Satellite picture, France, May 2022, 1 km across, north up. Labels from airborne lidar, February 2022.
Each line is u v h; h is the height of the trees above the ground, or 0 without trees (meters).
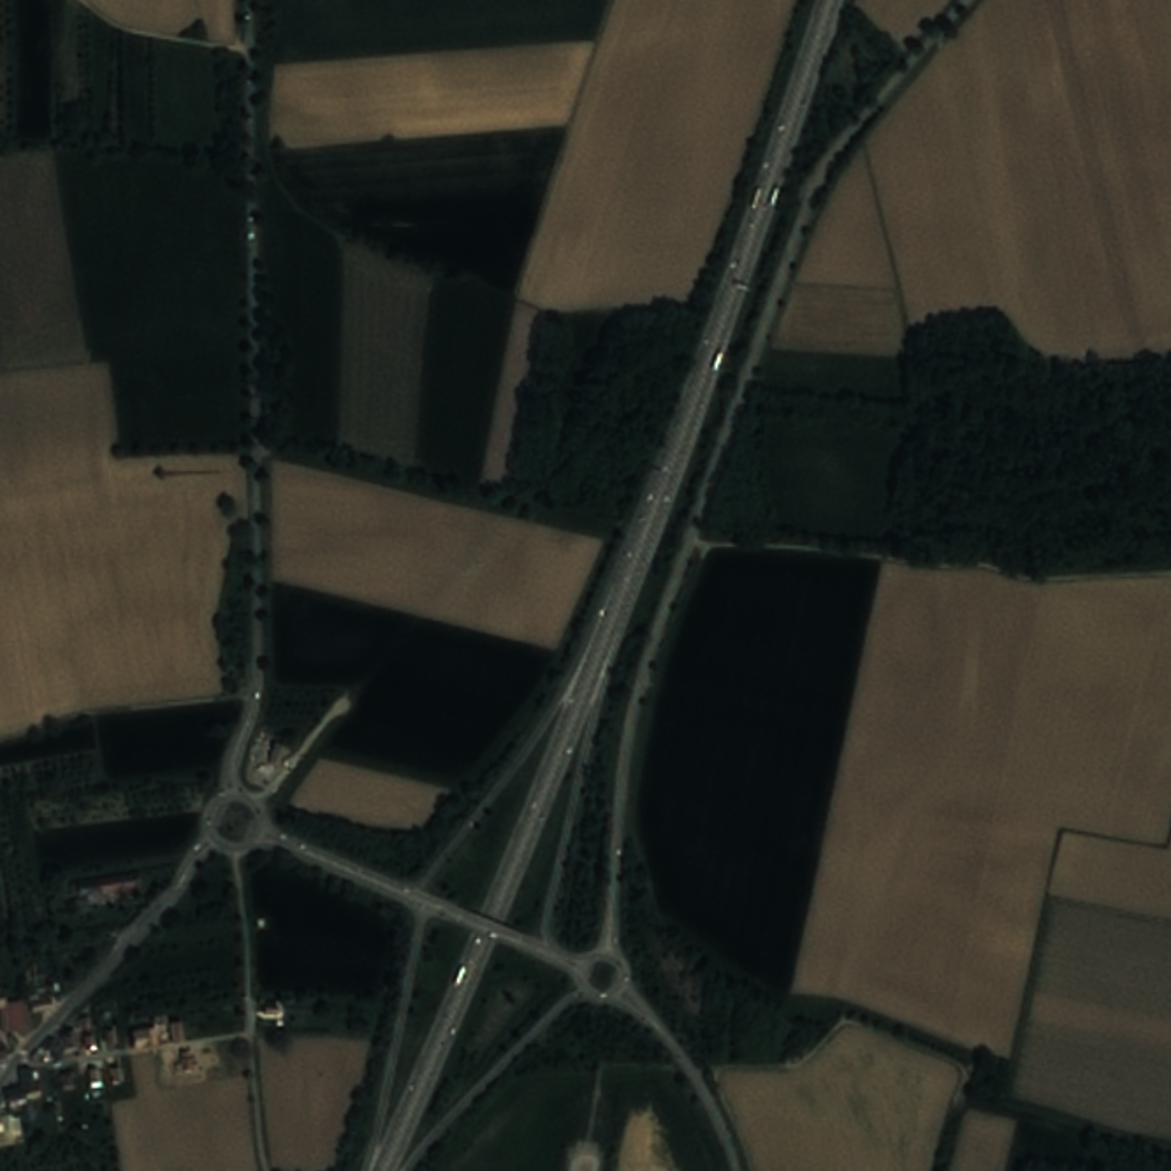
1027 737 0
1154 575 0
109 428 0
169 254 0
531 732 0
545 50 0
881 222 0
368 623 0
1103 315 0
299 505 0
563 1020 7
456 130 0
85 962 13
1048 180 0
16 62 0
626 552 0
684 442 0
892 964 0
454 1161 0
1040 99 0
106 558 0
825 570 0
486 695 0
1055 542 0
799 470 0
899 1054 0
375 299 0
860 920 0
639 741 0
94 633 0
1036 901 0
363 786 0
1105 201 0
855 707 0
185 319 0
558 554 0
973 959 0
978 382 21
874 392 0
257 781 0
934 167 0
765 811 0
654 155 0
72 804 6
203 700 0
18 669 0
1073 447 23
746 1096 0
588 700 0
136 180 0
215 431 0
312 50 0
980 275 0
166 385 0
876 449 0
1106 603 0
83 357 0
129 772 0
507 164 0
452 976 0
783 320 0
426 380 0
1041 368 23
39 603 0
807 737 0
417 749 0
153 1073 0
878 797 0
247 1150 0
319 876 8
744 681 0
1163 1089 0
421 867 7
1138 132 0
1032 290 0
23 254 0
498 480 0
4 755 0
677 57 0
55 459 0
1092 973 0
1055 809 0
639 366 14
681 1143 0
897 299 0
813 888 0
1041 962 0
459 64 0
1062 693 0
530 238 0
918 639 0
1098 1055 0
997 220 0
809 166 9
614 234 0
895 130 0
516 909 0
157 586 0
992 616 0
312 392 0
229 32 0
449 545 0
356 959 0
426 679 0
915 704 0
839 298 0
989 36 0
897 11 0
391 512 0
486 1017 0
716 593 0
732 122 0
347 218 0
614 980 0
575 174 0
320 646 0
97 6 0
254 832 0
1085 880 0
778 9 0
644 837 0
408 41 0
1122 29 0
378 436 0
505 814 0
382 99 0
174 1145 0
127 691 0
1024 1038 0
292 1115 0
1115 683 0
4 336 0
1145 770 0
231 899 9
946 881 0
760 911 0
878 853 0
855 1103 0
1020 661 0
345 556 0
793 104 0
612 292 0
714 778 0
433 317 0
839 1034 0
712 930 0
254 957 0
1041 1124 0
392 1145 0
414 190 0
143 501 0
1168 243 0
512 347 0
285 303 0
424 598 0
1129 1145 11
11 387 0
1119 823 0
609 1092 0
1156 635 0
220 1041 0
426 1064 0
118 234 0
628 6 0
